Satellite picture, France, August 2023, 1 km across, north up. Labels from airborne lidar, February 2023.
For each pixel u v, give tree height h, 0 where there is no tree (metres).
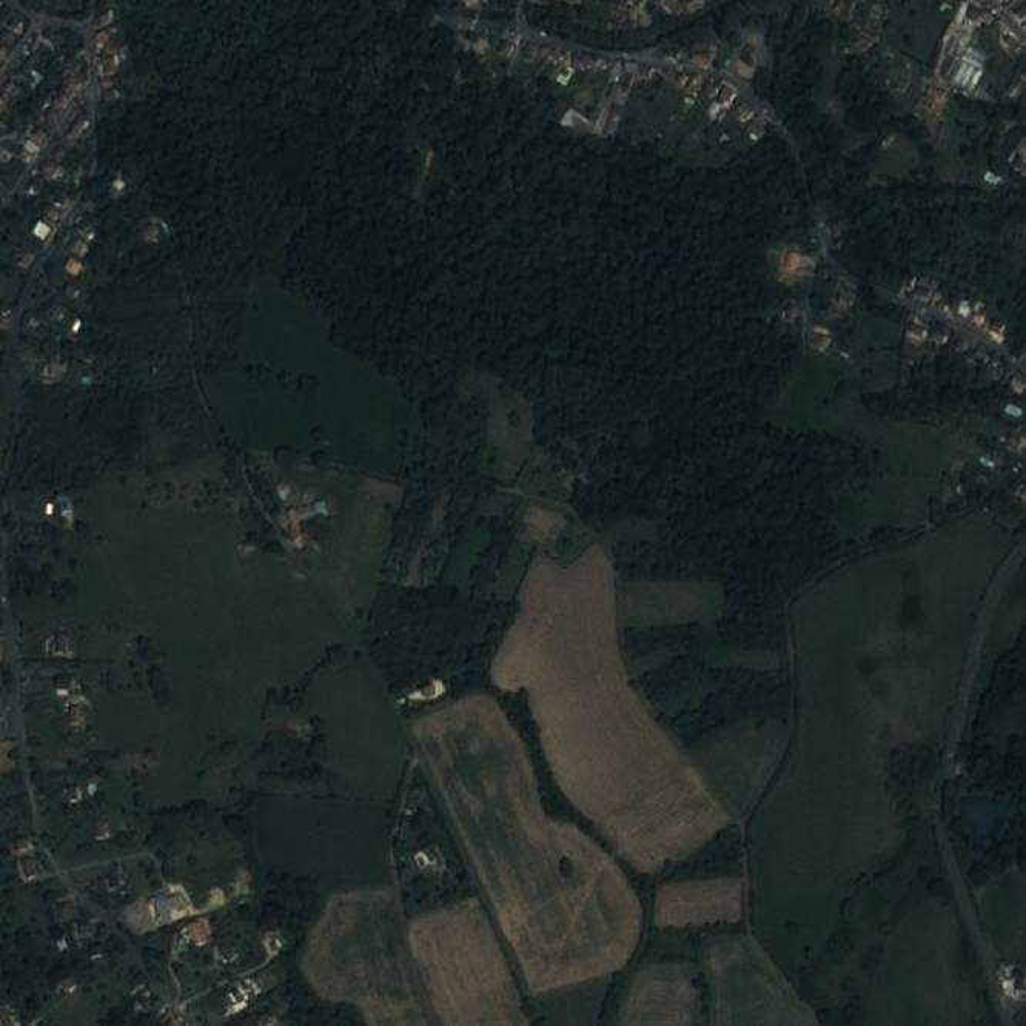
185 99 11
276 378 13
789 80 19
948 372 17
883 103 9
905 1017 0
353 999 0
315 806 0
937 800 0
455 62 15
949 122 0
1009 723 0
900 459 0
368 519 0
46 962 9
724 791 0
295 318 0
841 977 0
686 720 9
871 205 25
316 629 0
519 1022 0
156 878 12
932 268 9
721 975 0
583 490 16
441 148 16
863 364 0
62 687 0
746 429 6
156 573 0
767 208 11
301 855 0
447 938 0
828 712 0
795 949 0
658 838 0
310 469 0
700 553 10
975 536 0
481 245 28
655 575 8
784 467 24
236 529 0
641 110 0
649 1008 0
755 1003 0
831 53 0
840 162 23
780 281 0
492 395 0
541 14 13
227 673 0
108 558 0
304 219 11
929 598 0
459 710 0
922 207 22
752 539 23
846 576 0
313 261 18
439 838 0
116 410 16
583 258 25
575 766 0
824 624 0
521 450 0
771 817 0
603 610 0
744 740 0
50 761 0
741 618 9
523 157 25
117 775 0
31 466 9
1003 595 0
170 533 0
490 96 26
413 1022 0
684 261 23
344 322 13
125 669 0
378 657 7
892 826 0
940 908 0
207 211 21
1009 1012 0
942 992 0
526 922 0
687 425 22
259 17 15
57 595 8
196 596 0
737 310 16
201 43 14
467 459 9
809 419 0
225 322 6
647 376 19
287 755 0
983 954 0
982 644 0
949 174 0
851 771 0
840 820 0
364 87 24
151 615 0
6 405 0
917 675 0
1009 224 7
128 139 14
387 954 0
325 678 0
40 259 0
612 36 6
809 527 15
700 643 10
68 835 0
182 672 0
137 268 9
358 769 0
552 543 0
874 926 0
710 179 12
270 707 0
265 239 14
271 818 0
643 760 0
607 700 0
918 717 0
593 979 0
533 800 0
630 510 17
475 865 0
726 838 14
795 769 0
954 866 0
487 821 0
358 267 17
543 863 0
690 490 17
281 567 0
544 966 0
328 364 0
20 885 10
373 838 0
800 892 0
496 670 0
